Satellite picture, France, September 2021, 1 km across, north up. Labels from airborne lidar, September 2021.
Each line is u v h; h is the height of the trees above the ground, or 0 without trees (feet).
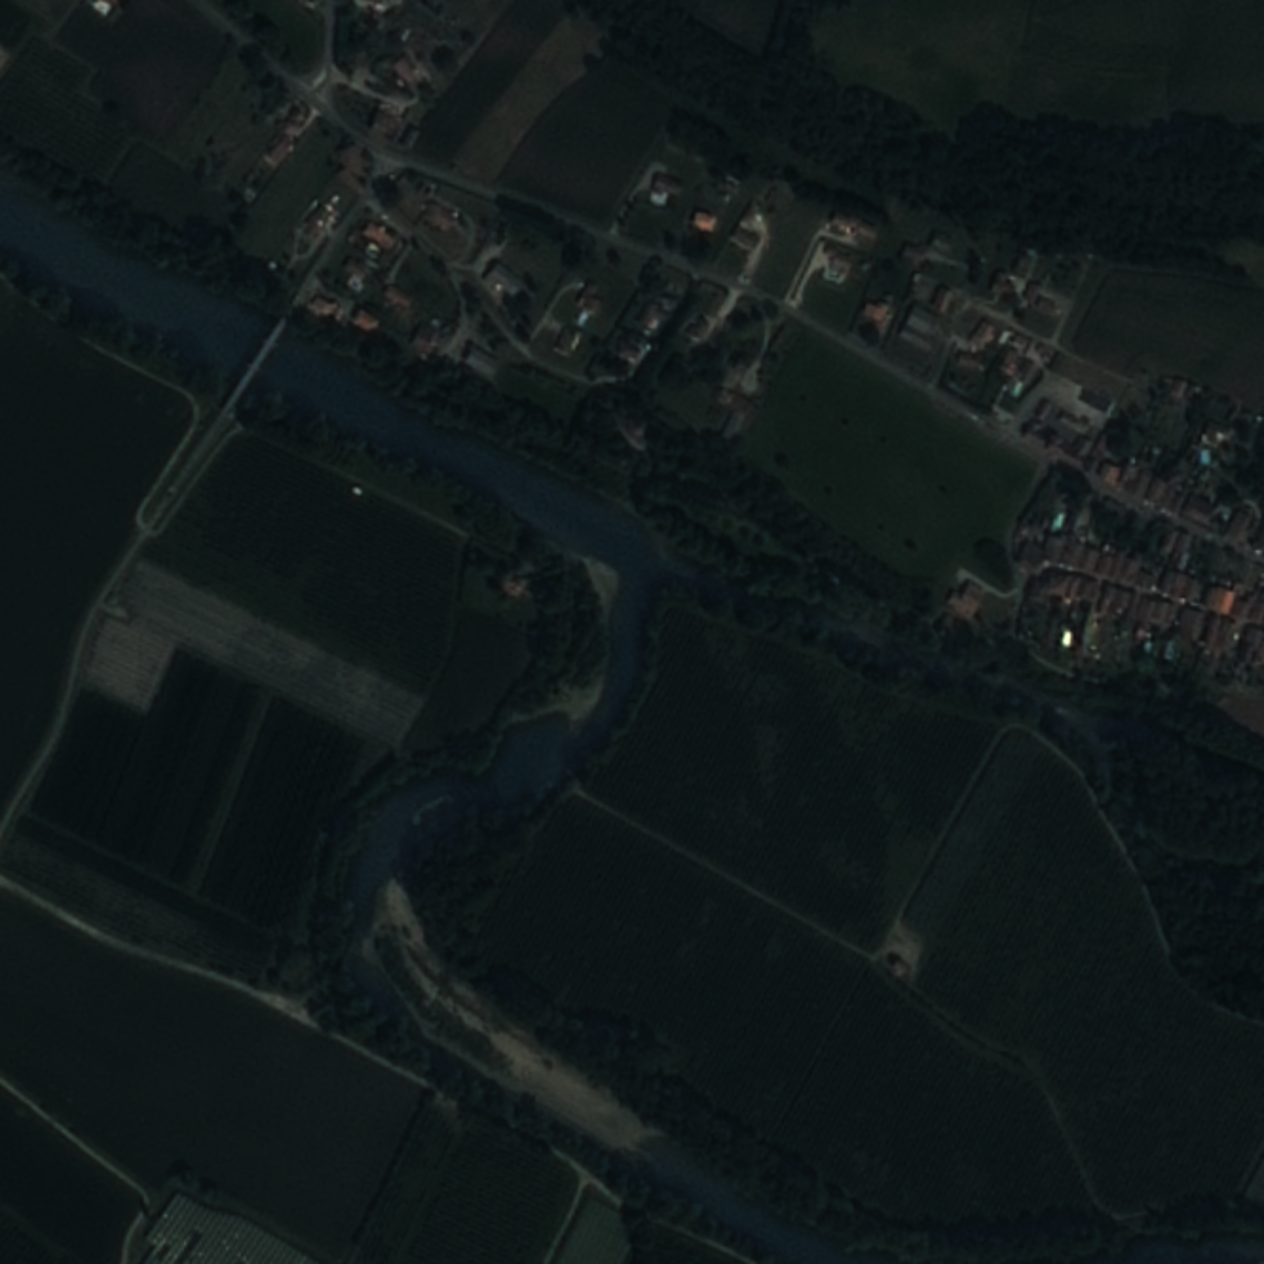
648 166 0
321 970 51
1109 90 0
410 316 0
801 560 41
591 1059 97
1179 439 0
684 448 58
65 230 0
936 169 69
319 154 0
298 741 19
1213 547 20
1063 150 80
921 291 0
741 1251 31
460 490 73
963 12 0
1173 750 115
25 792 0
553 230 48
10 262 50
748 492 61
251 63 57
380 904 0
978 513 0
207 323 0
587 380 27
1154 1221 52
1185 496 0
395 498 0
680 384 40
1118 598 0
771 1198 72
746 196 0
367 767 0
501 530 55
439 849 82
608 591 0
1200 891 69
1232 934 111
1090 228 37
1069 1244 100
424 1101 27
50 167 36
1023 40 0
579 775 81
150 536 0
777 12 23
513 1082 0
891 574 19
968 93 0
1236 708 0
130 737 17
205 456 0
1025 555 0
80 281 0
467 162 0
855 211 56
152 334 35
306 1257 0
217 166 24
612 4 54
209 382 93
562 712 0
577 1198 0
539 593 46
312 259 0
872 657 44
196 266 83
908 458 0
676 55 52
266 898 17
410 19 0
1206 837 137
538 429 90
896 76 0
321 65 0
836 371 0
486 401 56
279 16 0
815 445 0
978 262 46
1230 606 0
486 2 0
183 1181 68
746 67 58
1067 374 0
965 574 0
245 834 24
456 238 0
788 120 31
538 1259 0
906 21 0
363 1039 28
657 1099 87
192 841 17
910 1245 58
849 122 53
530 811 24
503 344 23
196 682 17
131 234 99
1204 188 79
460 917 72
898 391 0
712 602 89
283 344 0
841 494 0
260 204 0
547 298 0
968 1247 83
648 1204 77
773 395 0
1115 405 0
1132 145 52
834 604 119
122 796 19
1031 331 0
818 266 0
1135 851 50
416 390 47
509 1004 122
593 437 37
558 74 0
